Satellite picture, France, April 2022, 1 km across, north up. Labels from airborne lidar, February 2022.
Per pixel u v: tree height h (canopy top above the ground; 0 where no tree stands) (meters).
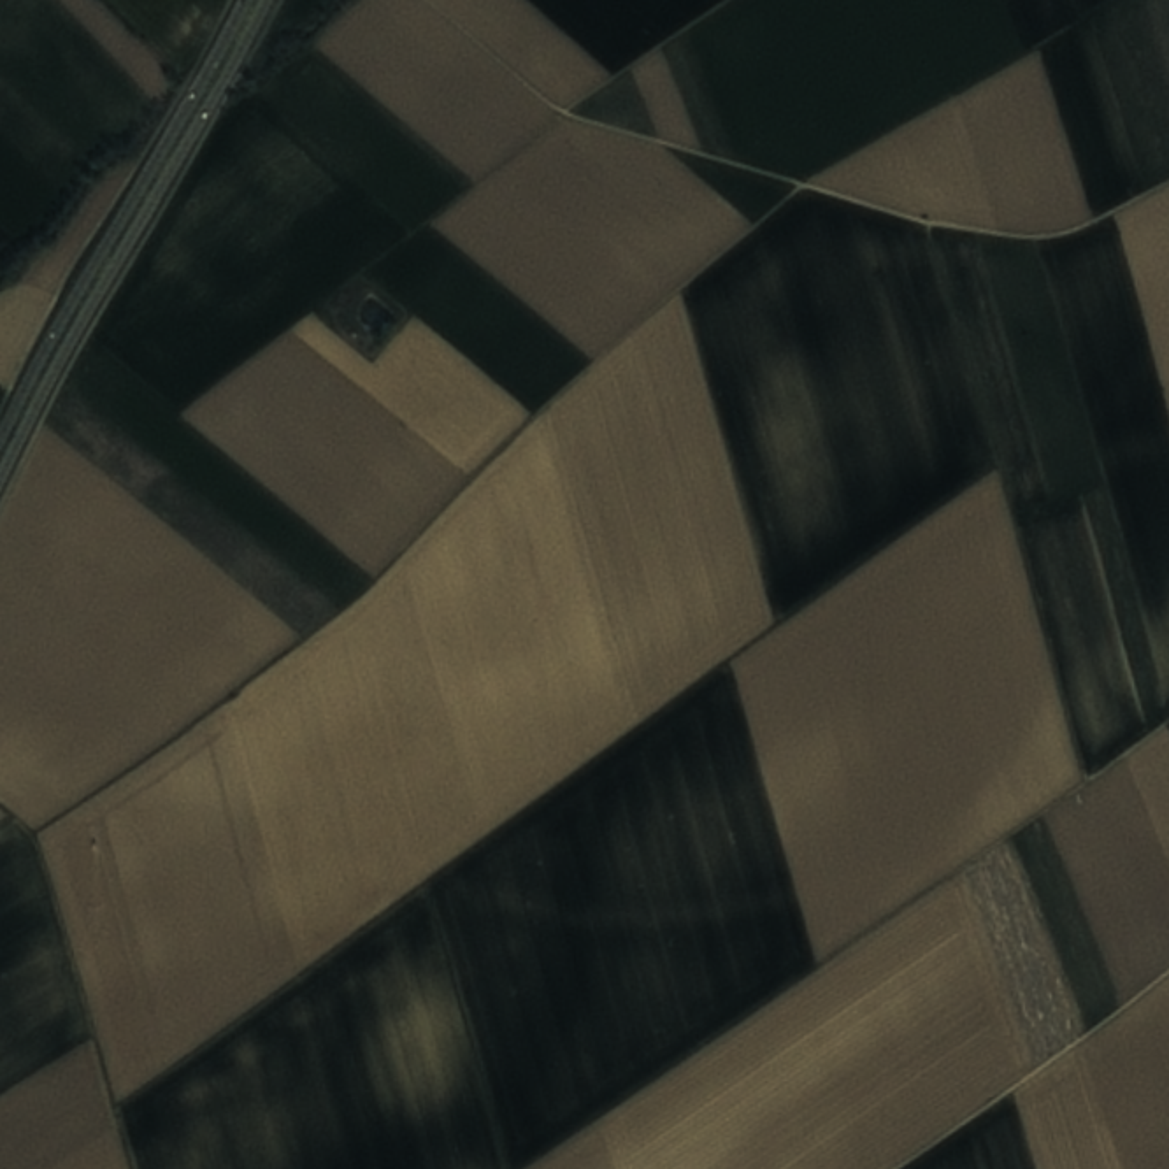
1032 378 0
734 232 0
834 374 0
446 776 0
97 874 0
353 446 0
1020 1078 0
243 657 0
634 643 0
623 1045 0
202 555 0
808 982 0
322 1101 0
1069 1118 0
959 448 0
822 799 0
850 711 0
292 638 0
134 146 17
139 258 0
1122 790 0
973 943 0
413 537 0
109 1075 0
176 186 0
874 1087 0
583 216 0
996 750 0
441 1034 0
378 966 0
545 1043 0
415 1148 0
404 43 0
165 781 0
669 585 0
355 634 0
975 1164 0
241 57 0
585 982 0
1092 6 0
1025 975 0
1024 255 0
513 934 0
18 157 0
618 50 0
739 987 0
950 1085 0
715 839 0
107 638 0
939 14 0
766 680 0
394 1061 0
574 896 0
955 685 0
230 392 0
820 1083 0
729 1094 0
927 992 0
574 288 0
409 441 0
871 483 0
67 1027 0
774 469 0
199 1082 0
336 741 0
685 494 0
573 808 0
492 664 0
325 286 0
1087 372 0
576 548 0
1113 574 0
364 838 0
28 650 0
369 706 0
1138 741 0
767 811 0
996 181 0
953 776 0
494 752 0
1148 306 0
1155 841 0
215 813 0
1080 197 0
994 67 0
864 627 0
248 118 0
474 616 0
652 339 0
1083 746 0
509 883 0
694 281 0
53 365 0
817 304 0
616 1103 0
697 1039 0
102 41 0
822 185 0
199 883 0
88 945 0
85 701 0
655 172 0
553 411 0
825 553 0
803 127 0
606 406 0
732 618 0
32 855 0
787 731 0
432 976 0
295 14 0
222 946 0
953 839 0
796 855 0
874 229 0
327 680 0
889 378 0
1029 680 0
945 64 0
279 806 0
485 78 0
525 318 0
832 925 0
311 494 0
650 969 0
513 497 0
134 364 0
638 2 0
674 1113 0
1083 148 0
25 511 0
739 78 0
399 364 0
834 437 0
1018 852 0
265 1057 0
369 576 0
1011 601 0
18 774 0
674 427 0
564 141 0
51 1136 0
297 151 0
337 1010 0
